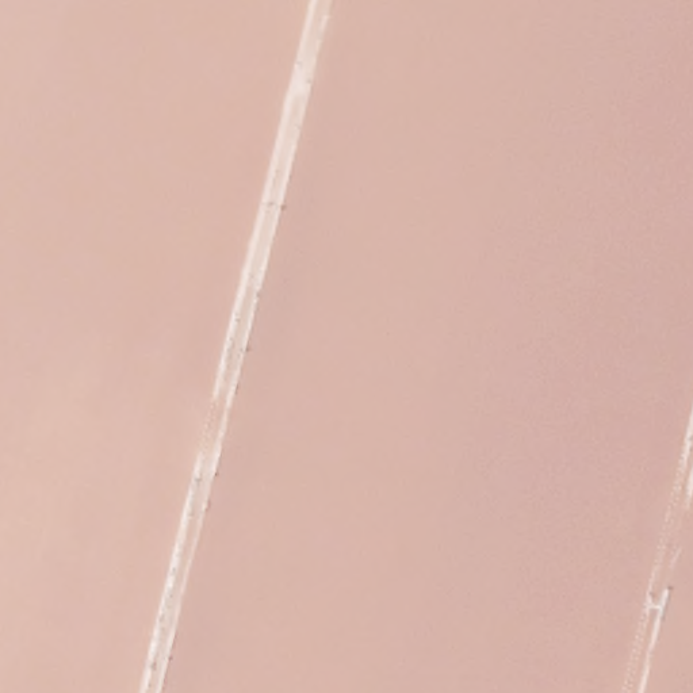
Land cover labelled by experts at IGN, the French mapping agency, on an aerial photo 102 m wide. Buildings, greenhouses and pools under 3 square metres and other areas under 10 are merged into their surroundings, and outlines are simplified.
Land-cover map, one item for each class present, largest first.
<instances>
[{"label":"water","instance_id":"1","mask_svg":"<svg viewBox=\"0 0 693 693\"><path fill-rule=\"evenodd\" d=\"M309 0H0V693H138L189 471L195 455L200 449H211V444H219L222 455L211 482L206 517L195 560L189 568V582L184 590L173 647L168 655L162 693H620L623 671L628 663L644 598H658L663 590H669V601L663 609L647 693H693V493H688V476L677 471V463L693 403V0H330L328 27L309 81L298 149L284 203L279 211L276 236L271 244L265 279L257 295L252 333L244 349L241 376L230 403L211 395V384L246 244L252 236L257 203L263 195L265 171L276 141L279 114L284 92L290 87Z\"/></svg>","mask_w":693,"mask_h":693},{"label":"pervious surface","instance_id":"2","mask_svg":"<svg viewBox=\"0 0 693 693\"><path fill-rule=\"evenodd\" d=\"M330 0H309L290 87L284 92L279 114L276 141L265 171L263 195L257 203L252 236L246 244L211 384V395L230 403L241 376L244 349L252 333L257 295L265 279L271 244L276 236L279 211L284 203L298 149L309 81L328 27ZM677 471L688 476V493H693V403L677 463ZM222 455L219 444H211V449H200L195 455L189 471L138 693H162L168 655L173 647L184 590L189 582V568L195 560L206 517L211 482ZM669 601V590H663L658 598H644L628 663L623 671L620 693H647L663 609Z\"/></svg>","mask_w":693,"mask_h":693}]
</instances>
